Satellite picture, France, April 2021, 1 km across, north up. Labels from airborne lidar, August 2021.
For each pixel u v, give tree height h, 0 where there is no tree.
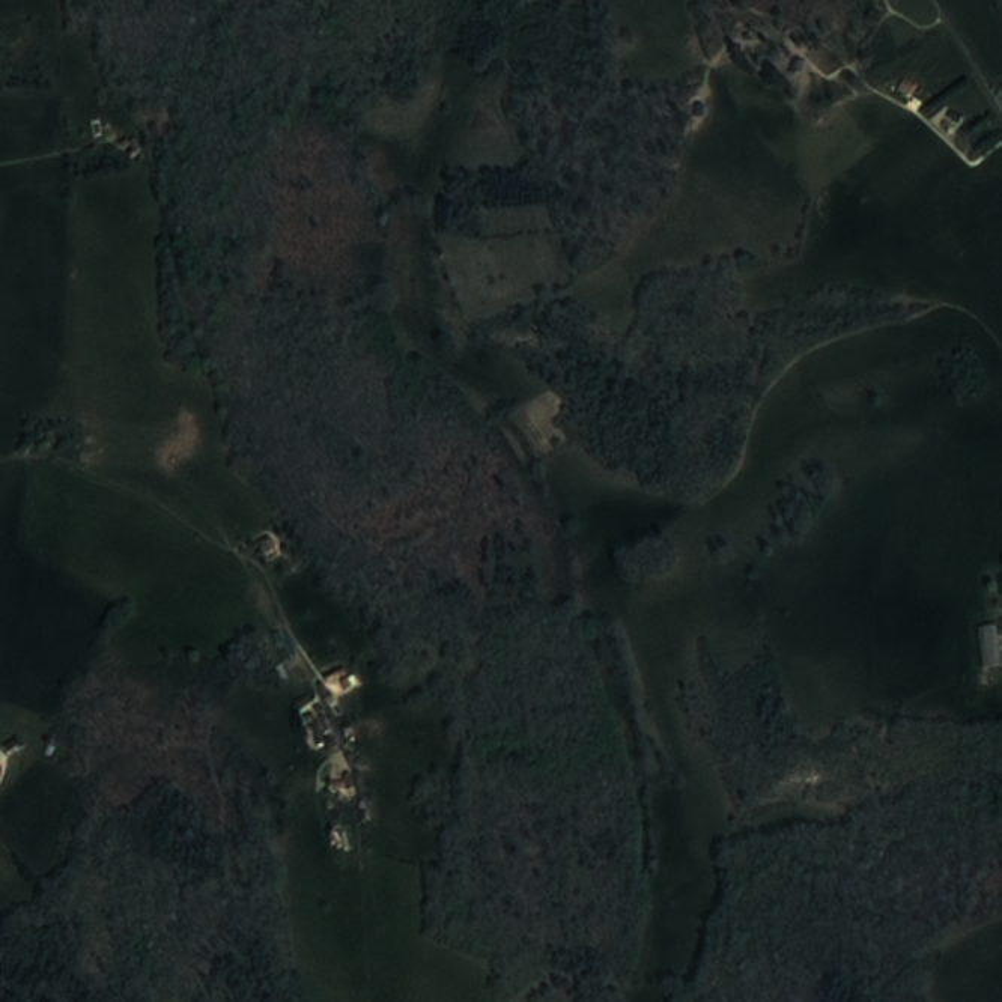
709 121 0
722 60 0
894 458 0
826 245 0
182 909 14
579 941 13
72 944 15
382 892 0
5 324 0
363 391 13
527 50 8
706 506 0
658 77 0
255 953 19
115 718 10
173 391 0
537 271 0
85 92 0
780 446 0
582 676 18
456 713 23
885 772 8
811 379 0
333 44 16
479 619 17
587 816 14
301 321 13
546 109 8
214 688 6
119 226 0
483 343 11
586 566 0
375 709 0
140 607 0
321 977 0
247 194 15
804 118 0
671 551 17
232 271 20
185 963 15
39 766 0
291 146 7
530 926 12
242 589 0
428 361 10
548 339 19
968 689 0
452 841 19
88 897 17
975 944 0
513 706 24
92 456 0
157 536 0
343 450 14
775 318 11
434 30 6
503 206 9
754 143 0
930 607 0
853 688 0
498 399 0
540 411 0
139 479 0
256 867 21
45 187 0
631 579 19
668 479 20
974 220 0
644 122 18
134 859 18
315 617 0
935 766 16
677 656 0
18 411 0
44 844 0
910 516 0
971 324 0
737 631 0
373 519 6
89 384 0
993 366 0
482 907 16
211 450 0
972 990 0
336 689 0
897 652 0
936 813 23
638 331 14
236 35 24
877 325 18
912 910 10
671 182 7
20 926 25
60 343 0
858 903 12
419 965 0
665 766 19
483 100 0
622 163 16
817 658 0
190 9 20
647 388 13
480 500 11
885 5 0
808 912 16
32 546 0
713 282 11
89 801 11
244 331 14
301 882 0
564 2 8
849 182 0
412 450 11
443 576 11
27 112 0
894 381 0
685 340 19
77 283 0
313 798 0
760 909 19
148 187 0
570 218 15
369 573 17
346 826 0
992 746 28
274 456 15
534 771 21
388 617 13
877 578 0
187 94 21
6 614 0
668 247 0
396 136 0
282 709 0
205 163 20
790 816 0
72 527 0
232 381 13
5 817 0
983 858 13
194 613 0
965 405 0
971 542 0
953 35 0
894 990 17
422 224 0
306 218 6
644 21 0
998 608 8
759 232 0
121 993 17
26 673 0
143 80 12
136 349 0
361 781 7
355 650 0
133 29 20
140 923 20
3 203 0
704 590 0
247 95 17
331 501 12
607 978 13
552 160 18
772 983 15
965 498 0
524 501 11
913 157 0
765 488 0
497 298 0
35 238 0
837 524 0
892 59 7
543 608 18
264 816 23
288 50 24
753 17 0
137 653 0
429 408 16
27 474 0
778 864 25
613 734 22
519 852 17
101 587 0
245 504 0
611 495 0
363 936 0
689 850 0
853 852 16
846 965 18
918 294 0
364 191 17
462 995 0
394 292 20
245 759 6
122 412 0
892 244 0
